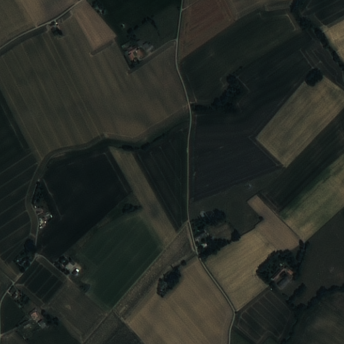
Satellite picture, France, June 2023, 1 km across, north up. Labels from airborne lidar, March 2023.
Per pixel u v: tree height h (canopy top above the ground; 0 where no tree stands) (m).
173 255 0
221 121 0
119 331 0
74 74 0
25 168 0
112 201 0
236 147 0
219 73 0
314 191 0
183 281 0
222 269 0
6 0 0
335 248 0
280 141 0
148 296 0
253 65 0
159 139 6
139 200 0
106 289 0
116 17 0
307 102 0
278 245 0
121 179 0
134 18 0
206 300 0
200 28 0
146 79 0
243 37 0
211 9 0
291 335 8
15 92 0
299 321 0
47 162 0
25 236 0
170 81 0
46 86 0
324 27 0
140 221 0
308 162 0
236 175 0
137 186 0
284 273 9
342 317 0
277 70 0
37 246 0
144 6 0
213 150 0
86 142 0
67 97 0
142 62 0
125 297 0
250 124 0
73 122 0
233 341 0
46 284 0
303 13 0
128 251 0
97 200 0
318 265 0
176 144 0
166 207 0
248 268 0
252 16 0
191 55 0
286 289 0
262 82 0
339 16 0
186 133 0
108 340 0
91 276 0
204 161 0
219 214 25
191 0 0
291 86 0
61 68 0
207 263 0
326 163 0
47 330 0
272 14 0
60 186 0
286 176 0
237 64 0
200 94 0
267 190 0
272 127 0
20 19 0
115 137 0
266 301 0
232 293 0
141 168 0
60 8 0
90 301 0
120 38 0
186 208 0
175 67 0
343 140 0
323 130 0
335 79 0
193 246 0
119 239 0
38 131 0
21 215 0
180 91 0
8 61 0
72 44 0
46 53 0
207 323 0
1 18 0
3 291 0
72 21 0
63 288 0
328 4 0
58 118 0
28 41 0
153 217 0
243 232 0
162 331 0
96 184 0
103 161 0
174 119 0
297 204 0
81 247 0
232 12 0
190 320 0
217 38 0
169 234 0
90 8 0
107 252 0
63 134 0
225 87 0
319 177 0
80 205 0
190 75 0
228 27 0
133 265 0
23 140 0
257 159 0
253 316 0
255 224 0
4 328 0
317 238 0
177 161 0
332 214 0
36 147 0
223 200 0
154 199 0
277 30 0
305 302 0
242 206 0
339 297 0
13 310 0
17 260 8
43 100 0
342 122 0
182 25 0
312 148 0
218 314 0
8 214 0
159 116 0
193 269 0
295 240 0
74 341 0
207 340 0
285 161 0
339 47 0
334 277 0
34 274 0
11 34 0
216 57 0
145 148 10
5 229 0
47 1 0
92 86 0
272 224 0
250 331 0
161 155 0
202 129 0
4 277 0
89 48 0
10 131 0
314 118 0
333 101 0
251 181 0
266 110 0
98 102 0
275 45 0
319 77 14
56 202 0
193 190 0
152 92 0
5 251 0
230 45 0
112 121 0
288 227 0
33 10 0
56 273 0
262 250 0
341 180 0
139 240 0
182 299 0
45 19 0
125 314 0
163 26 0
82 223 0
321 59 0
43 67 0
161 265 0
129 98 0
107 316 0
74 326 0
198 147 0
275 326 0
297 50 0
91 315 0
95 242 0
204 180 0
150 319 0
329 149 0
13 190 0
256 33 0
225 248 0
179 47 0
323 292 24
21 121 0
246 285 0
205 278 0
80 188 0
